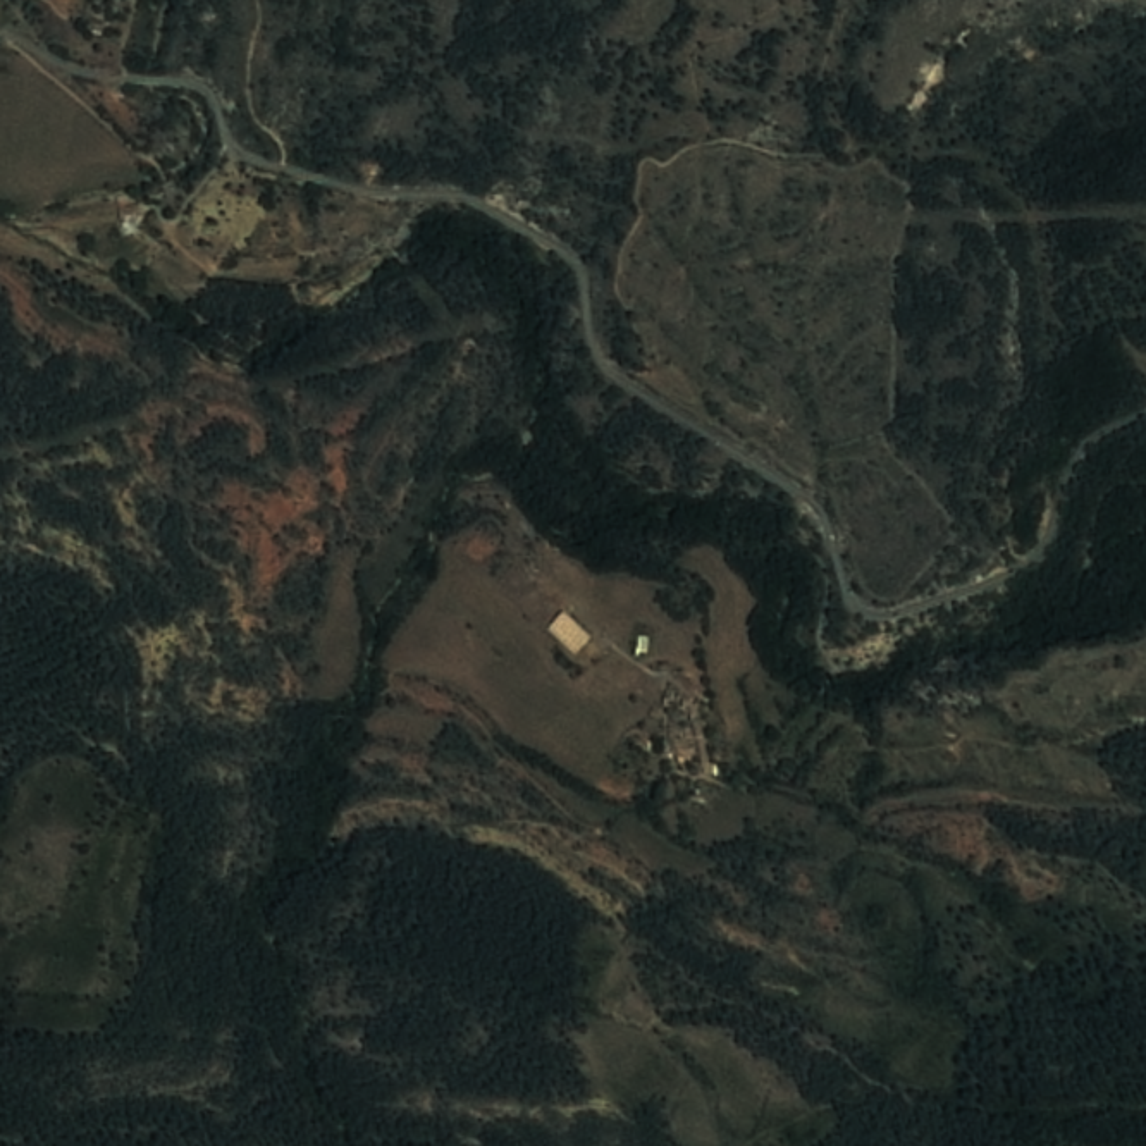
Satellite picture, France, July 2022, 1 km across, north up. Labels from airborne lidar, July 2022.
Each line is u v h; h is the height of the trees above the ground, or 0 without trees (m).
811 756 9
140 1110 19
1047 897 0
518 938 16
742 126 0
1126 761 16
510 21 10
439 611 0
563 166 7
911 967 7
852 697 7
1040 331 14
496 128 10
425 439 7
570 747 0
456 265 13
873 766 10
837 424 0
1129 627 6
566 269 8
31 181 0
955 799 0
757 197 0
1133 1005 18
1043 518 10
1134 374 10
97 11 7
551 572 0
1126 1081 17
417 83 10
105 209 0
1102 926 17
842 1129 11
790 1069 13
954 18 0
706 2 0
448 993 10
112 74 0
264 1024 19
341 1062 14
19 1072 18
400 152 9
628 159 7
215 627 11
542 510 15
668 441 15
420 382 8
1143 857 17
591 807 0
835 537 0
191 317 13
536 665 0
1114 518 12
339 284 9
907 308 11
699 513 13
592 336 0
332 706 7
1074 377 7
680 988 10
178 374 7
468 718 0
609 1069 0
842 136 9
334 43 9
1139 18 9
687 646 0
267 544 0
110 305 15
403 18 11
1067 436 11
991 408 13
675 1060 0
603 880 7
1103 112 9
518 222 0
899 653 12
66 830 0
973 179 10
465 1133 10
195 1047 19
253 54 0
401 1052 17
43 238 0
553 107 0
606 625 0
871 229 0
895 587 0
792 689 12
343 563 0
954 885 0
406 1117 12
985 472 8
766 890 6
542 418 12
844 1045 13
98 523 9
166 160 8
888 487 0
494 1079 12
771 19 0
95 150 0
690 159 0
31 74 0
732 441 0
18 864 0
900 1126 12
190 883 20
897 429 12
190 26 7
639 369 11
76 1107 12
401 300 9
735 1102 0
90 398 11
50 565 5
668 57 11
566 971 18
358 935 18
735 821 0
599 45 9
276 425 8
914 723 0
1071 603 18
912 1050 0
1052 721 0
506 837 0
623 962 0
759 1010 6
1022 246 12
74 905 0
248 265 0
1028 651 6
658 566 11
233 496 0
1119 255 13
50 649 14
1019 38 0
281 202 11
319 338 20
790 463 0
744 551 10
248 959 18
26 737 17
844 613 6
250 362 7
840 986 0
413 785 6
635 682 0
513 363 13
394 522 7
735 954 11
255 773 14
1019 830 13
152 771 15
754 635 10
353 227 0
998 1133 28
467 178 7
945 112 7
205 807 18
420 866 14
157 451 9
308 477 0
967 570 7
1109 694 0
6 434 9
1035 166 9
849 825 12
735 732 0
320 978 10
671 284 0
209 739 11
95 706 16
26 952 0
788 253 0
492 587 0
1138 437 19
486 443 11
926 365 8
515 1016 15
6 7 7
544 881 13
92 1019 0
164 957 16
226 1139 18
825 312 0
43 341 11
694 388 0
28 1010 0
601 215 9
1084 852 13
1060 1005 17
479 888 15
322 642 0
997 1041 8
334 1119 11
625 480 10
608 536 24
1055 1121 9
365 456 6
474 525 8
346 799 16
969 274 9
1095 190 10
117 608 11
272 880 11
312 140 12
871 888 0
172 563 6
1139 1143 11
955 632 6
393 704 12
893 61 0
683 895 9
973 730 0
